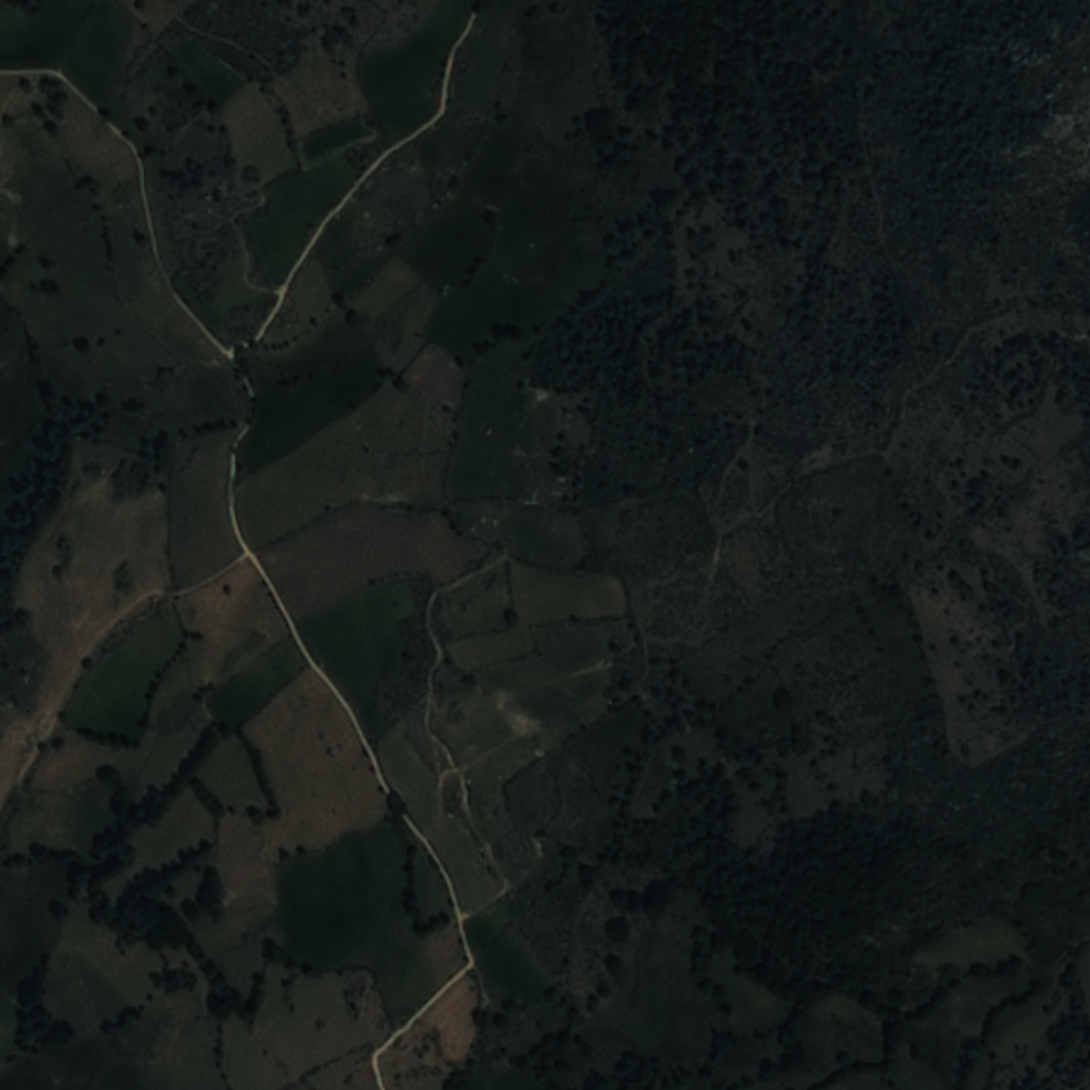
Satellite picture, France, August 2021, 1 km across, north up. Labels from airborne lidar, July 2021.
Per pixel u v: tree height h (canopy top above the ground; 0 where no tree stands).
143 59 0
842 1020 0
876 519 0
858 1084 0
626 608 0
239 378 7
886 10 0
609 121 11
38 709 0
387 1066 0
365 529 0
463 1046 0
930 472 0
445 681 0
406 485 0
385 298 0
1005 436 0
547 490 0
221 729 9
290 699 0
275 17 0
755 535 0
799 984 13
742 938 19
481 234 0
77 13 0
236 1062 0
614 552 0
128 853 22
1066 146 0
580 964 0
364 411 0
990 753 0
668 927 0
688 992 0
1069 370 10
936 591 6
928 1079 0
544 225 0
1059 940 0
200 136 0
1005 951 0
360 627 0
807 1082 0
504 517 0
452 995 0
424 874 0
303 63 0
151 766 0
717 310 8
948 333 0
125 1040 0
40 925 0
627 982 0
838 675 0
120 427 0
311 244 0
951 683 0
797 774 0
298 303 0
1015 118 6
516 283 0
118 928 17
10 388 0
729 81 14
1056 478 0
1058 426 0
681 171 8
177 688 0
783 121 10
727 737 14
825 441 0
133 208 0
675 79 8
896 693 0
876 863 13
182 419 0
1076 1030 8
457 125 0
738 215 8
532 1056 8
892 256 0
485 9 10
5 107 0
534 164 0
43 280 0
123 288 0
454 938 0
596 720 0
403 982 0
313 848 0
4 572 6
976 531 0
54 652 0
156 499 0
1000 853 6
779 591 0
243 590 0
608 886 0
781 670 0
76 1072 0
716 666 0
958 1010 0
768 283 0
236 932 0
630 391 10
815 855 16
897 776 6
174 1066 0
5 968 0
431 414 0
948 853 9
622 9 15
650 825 10
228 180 0
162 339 0
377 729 0
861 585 0
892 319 7
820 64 11
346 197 0
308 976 10
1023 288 0
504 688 0
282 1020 0
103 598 0
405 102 0
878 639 0
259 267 0
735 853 15
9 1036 0
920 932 6
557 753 0
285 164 0
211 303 0
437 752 0
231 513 0
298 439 0
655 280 0
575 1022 12
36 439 0
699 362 9
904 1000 10
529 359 7
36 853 17
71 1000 0
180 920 17
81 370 0
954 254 0
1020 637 11
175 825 0
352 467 0
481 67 0
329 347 0
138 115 0
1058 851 7
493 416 0
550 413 0
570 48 0
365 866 0
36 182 0
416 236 0
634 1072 9
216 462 0
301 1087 0
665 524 0
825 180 13
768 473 0
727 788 15
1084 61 0
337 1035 0
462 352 0
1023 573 0
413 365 0
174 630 0
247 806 0
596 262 0
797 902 6
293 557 0
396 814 9
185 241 0
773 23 10
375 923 0
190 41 0
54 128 16
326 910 0
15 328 0
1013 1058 0
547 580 0
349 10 7
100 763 0
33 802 0
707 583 0
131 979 0
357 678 0
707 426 0
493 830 0
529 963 0
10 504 0
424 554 0
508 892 0
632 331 6
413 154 0
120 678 0
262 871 0
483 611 0
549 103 0
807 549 0
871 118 0
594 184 0
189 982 6
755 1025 0
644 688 0
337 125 0
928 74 7
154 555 0
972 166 6
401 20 0
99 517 0
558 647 0
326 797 0
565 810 0
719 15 13
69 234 0
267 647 0
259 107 0
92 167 0
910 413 0
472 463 0
